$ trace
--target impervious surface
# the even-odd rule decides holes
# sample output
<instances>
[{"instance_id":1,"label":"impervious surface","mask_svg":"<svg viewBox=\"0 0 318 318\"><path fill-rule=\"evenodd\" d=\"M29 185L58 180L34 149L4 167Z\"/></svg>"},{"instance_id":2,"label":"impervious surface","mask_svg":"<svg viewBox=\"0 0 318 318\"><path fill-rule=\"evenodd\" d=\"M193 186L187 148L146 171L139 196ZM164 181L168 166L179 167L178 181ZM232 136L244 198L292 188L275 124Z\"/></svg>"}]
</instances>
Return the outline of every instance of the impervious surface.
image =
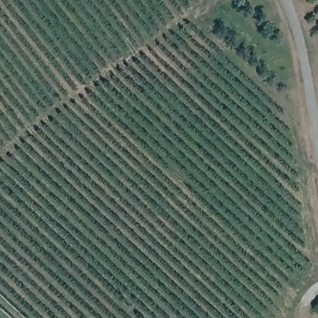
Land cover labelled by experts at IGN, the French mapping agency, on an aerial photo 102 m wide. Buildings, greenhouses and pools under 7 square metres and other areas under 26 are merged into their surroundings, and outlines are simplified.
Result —
<instances>
[{"instance_id":1,"label":"impervious surface","mask_svg":"<svg viewBox=\"0 0 318 318\"><path fill-rule=\"evenodd\" d=\"M304 91L311 117L314 157L317 158L318 169L318 109L306 43L292 0L282 0L296 37L296 57L301 60Z\"/></svg>"}]
</instances>

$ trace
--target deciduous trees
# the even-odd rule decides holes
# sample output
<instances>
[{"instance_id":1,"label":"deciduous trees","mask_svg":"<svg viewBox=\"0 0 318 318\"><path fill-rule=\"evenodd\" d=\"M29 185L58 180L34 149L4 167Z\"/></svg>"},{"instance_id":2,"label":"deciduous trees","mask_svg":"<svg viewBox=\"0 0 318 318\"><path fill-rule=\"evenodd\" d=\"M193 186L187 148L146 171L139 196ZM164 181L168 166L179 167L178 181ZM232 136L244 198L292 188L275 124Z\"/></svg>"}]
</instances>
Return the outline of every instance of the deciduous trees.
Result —
<instances>
[{"instance_id":1,"label":"deciduous trees","mask_svg":"<svg viewBox=\"0 0 318 318\"><path fill-rule=\"evenodd\" d=\"M0 270L51 318L58 318L0 262Z\"/></svg>"},{"instance_id":2,"label":"deciduous trees","mask_svg":"<svg viewBox=\"0 0 318 318\"><path fill-rule=\"evenodd\" d=\"M0 318L43 318L0 277Z\"/></svg>"},{"instance_id":3,"label":"deciduous trees","mask_svg":"<svg viewBox=\"0 0 318 318\"><path fill-rule=\"evenodd\" d=\"M0 256L65 318L72 318L34 279L27 276L0 250Z\"/></svg>"},{"instance_id":4,"label":"deciduous trees","mask_svg":"<svg viewBox=\"0 0 318 318\"><path fill-rule=\"evenodd\" d=\"M127 137L89 104L86 98L81 98L81 101L89 108L87 113L76 102L72 104L66 89L50 71L50 67L53 66L62 77L71 73L76 77L78 73L82 76L86 73L88 78L91 78L93 73L101 71L120 56L127 57L128 47L122 35L125 34L133 46L138 47L134 37L127 30L129 27L132 27L137 36L140 36L140 30L144 29L149 36L153 36L155 31L159 30L159 25L164 22L166 25L166 22L173 20L173 16L184 7L188 7L191 0L0 0L0 229L96 318L251 318L242 311L243 304L256 316L265 311L266 306L243 286L241 278L246 279L251 287L267 299L267 302L273 304L272 299L252 282L250 277L238 270L219 248L212 245L185 217L189 215L198 222L207 234L220 243L243 268L252 273L275 296L279 294L286 298L287 289L291 287L287 283L288 273L294 272L297 268L309 270L311 261L296 248L298 243L304 246L303 230L299 225L302 220L301 201L294 198L276 179L277 175L281 176L298 191L297 170L293 168L297 160L291 153L291 130L282 119L279 119L283 108L246 75L214 41L206 37L193 21L185 24L184 20L180 22L183 29L175 25L173 29L165 32L168 39L165 41L190 63L190 66L186 68L173 53L166 50L163 43L159 43L158 47L186 73L186 79L170 67L157 52L150 50L166 70L179 79L179 86L143 51L139 51L139 55L170 83L174 92L170 92L143 63L138 62L137 65L149 76L148 79L130 65L127 66L127 70L142 81L142 86L135 83L124 71L119 71L120 75L137 88L134 93L130 92L116 76L109 78L107 75L104 78L107 78L107 82L104 84L109 89L108 92L97 86L98 96L92 91L88 93L103 111L148 150L154 159L164 165L176 179L183 180L186 188L207 207L206 211L202 211L178 185L163 174L158 166L150 163L144 153L135 148Z\"/></svg>"},{"instance_id":5,"label":"deciduous trees","mask_svg":"<svg viewBox=\"0 0 318 318\"><path fill-rule=\"evenodd\" d=\"M62 299L79 318L87 318L0 236L0 243L46 284L50 291Z\"/></svg>"},{"instance_id":6,"label":"deciduous trees","mask_svg":"<svg viewBox=\"0 0 318 318\"><path fill-rule=\"evenodd\" d=\"M275 72L267 70L265 61L257 60L253 46L236 42L236 31L222 25L219 34L216 34L217 37L224 40L227 46L235 48L237 55L247 61L248 65L255 67L258 75L267 83L272 82Z\"/></svg>"}]
</instances>

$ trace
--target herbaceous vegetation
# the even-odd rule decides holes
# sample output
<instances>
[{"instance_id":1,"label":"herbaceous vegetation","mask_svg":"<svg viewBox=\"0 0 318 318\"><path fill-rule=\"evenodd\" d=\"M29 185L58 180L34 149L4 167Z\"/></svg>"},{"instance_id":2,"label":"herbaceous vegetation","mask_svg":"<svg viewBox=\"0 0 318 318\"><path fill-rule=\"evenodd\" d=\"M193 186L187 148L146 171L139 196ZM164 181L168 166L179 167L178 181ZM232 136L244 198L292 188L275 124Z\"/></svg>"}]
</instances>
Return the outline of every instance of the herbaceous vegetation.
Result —
<instances>
[{"instance_id":1,"label":"herbaceous vegetation","mask_svg":"<svg viewBox=\"0 0 318 318\"><path fill-rule=\"evenodd\" d=\"M292 0L306 43L318 109L318 0Z\"/></svg>"},{"instance_id":2,"label":"herbaceous vegetation","mask_svg":"<svg viewBox=\"0 0 318 318\"><path fill-rule=\"evenodd\" d=\"M96 318L0 229L0 236L87 318Z\"/></svg>"},{"instance_id":3,"label":"herbaceous vegetation","mask_svg":"<svg viewBox=\"0 0 318 318\"><path fill-rule=\"evenodd\" d=\"M188 7L184 7L173 16L173 20L166 22L166 25L164 22L159 25L159 30L155 31L153 36L149 36L144 29L140 30L140 36L137 36L132 27L129 27L127 30L134 37L138 47L133 46L125 34L122 35L128 47L127 57L120 56L101 71L93 73L91 78L88 78L86 73L82 76L78 73L76 77L71 73L62 77L53 66L50 67L50 71L66 89L72 104L76 102L87 113L89 108L81 101L81 98L86 98L89 104L127 137L135 148L144 153L150 163L158 166L163 174L178 185L202 211L206 211L207 207L186 188L183 180L176 179L164 165L154 159L148 150L103 111L88 93L92 91L98 96L97 86L108 92L109 89L104 84L107 82L107 78L104 78L107 75L109 78L116 76L130 92L134 93L137 88L120 75L119 71L124 71L135 83L142 86L142 81L127 70L127 66L130 65L148 79L149 76L137 65L138 62L143 63L170 92L174 92L170 83L139 55L139 51L143 51L179 86L179 79L166 70L150 50L157 52L170 67L186 79L186 73L158 47L159 43L163 43L166 50L173 53L186 68L190 66L190 63L165 41L168 39L165 32L173 29L175 25L183 29L180 22L184 20L185 24L193 21L206 37L214 41L246 75L283 108L279 119L282 119L291 130L291 153L297 160L293 168L297 170L298 191L281 176L277 175L276 179L294 198L301 201L302 220L299 225L303 230L304 246L298 243L296 248L311 261L309 270L297 268L294 272L288 273L287 283L291 287L287 289L286 298L279 294L275 296L252 273L243 268L220 243L207 234L198 222L189 215L185 217L212 245L219 248L238 270L250 277L252 282L272 299L273 304L267 302L267 299L251 287L246 279L241 278L243 286L266 306L265 311L256 316L243 304L242 311L251 318L318 318L318 169L317 158L314 157L311 117L304 91L301 60L296 57L296 37L282 0L191 0ZM222 25L236 31L236 42L253 46L257 60L265 61L267 70L275 72L272 82L267 83L258 75L255 67L248 65L247 61L237 55L235 48L227 46L224 40L217 37L216 34L219 34Z\"/></svg>"},{"instance_id":4,"label":"herbaceous vegetation","mask_svg":"<svg viewBox=\"0 0 318 318\"><path fill-rule=\"evenodd\" d=\"M34 279L72 318L79 318L62 299L50 291L46 284L0 243L0 250L27 276Z\"/></svg>"},{"instance_id":5,"label":"herbaceous vegetation","mask_svg":"<svg viewBox=\"0 0 318 318\"><path fill-rule=\"evenodd\" d=\"M65 318L0 256L0 262L58 318Z\"/></svg>"},{"instance_id":6,"label":"herbaceous vegetation","mask_svg":"<svg viewBox=\"0 0 318 318\"><path fill-rule=\"evenodd\" d=\"M0 277L43 318L51 318L0 270Z\"/></svg>"}]
</instances>

